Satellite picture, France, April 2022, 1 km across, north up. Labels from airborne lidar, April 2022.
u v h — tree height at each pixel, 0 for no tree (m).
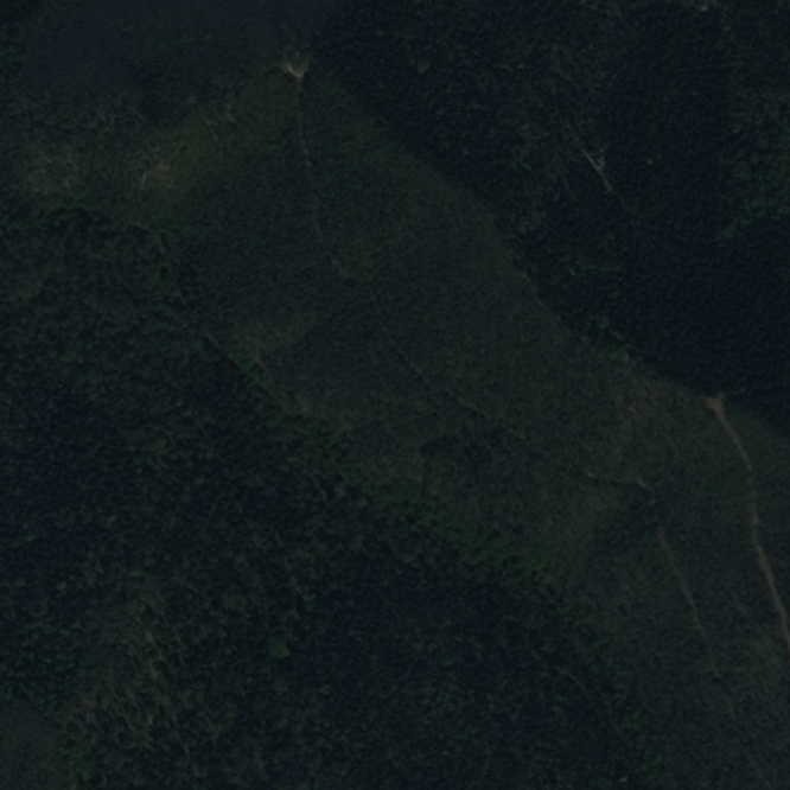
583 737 27
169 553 27
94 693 19
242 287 20
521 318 13
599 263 29
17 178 15
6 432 29
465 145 22
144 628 22
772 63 18
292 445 13
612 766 25
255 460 33
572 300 27
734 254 20
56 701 19
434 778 23
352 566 31
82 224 19
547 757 21
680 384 14
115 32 15
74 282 21
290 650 18
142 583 27
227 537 28
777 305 25
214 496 28
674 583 14
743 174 21
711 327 23
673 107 27
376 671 22
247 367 15
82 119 9
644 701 25
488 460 17
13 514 26
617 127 30
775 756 10
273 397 17
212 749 32
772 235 25
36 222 14
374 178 14
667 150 25
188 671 18
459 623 24
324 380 14
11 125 13
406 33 19
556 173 23
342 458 18
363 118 18
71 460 25
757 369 27
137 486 26
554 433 13
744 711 11
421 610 26
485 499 17
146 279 28
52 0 21
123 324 28
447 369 11
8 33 24
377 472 13
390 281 15
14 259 26
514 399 13
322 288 14
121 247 24
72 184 10
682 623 17
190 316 20
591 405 11
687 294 25
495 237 13
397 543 11
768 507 13
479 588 25
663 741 20
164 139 8
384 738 25
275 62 12
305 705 33
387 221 16
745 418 16
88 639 26
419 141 23
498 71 22
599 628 16
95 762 24
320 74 13
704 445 15
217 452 15
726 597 14
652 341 25
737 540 15
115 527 21
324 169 12
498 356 14
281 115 16
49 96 14
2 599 27
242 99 13
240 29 15
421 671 20
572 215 30
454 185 16
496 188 23
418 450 14
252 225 18
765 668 10
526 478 14
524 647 23
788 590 14
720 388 18
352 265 11
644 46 19
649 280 24
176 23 17
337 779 31
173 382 30
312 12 20
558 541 18
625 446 14
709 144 30
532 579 11
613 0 30
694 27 28
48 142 8
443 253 13
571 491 14
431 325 11
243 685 32
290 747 31
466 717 26
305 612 30
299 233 15
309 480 23
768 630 6
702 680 18
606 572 15
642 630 14
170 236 22
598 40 28
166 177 8
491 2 23
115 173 10
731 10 17
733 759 12
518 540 16
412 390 16
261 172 13
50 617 23
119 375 29
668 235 25
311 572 30
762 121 15
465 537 17
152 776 28
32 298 26
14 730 14
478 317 14
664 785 28
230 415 31
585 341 8
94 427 27
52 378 12
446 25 21
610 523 21
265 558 8
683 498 18
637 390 14
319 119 12
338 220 13
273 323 17
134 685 25
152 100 16
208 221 14
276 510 33
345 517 21
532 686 24
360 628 25
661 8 30
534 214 26
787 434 19
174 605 29
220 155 19
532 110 20
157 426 24
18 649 12
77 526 22
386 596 20
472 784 23
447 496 17
